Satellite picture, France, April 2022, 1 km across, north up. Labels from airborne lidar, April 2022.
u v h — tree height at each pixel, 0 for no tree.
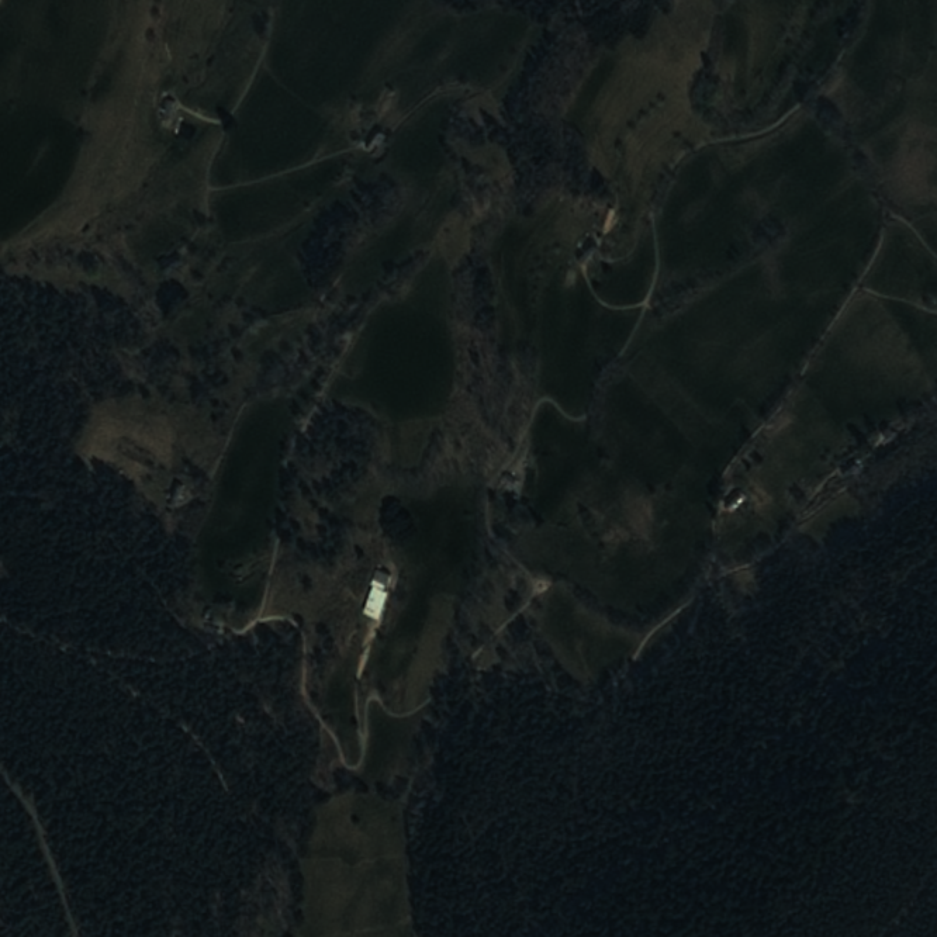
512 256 0
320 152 0
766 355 0
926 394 0
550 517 0
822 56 0
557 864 19
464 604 17
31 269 12
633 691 15
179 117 0
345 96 0
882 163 0
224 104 0
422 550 0
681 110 0
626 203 0
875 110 0
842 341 0
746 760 22
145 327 27
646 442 0
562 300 0
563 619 0
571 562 0
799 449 0
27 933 18
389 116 0
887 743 19
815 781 41
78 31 0
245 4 0
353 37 0
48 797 29
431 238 0
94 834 15
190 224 0
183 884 26
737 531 0
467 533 0
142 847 20
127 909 22
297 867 31
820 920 25
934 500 24
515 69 0
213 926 19
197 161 0
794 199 0
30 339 22
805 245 0
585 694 21
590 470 0
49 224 0
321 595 0
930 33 0
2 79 0
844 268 0
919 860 17
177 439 0
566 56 19
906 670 29
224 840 21
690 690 21
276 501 0
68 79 0
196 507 6
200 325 0
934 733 19
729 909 37
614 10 22
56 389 28
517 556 16
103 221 0
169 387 22
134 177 0
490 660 0
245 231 0
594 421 17
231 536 0
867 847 18
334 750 0
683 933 30
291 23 0
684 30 0
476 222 0
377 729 0
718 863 35
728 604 19
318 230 0
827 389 0
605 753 21
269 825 20
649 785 22
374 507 0
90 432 0
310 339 11
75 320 21
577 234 0
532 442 0
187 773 20
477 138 15
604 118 0
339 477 16
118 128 0
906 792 17
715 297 0
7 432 18
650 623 13
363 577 6
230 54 0
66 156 0
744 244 0
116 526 22
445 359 0
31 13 0
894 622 22
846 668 6
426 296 0
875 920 19
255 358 0
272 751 19
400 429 0
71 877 24
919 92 0
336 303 8
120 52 0
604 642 0
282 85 0
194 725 20
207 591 0
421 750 17
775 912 23
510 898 22
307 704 16
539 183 25
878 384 0
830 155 0
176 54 0
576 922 26
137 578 19
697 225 0
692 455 0
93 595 17
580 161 25
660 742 22
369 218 13
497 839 21
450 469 21
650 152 0
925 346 0
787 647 20
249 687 11
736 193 0
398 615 0
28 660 17
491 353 19
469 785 25
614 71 0
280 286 0
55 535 20
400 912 0
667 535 0
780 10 0
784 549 18
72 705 22
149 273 0
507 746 15
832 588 23
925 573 20
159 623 25
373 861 0
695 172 0
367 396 0
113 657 17
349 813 0
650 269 0
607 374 19
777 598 21
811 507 7
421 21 0
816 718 36
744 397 0
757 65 0
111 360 24
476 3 22
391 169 0
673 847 38
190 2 0
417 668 0
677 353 0
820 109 14
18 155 0
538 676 22
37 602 13
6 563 9
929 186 0
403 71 0
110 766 29
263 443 0
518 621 0
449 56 0
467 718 21
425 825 20
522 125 27
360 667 0
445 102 0
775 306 0
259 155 0
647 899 37
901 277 0
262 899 24
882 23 0
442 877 25
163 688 19
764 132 0
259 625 0
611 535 0
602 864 21
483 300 22
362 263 0
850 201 0
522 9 19
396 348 0
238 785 20
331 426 15
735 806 37
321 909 0
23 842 26
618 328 0
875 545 23
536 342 0
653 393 0
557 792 20
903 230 0
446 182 0
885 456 14
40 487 25
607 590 0
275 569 0
